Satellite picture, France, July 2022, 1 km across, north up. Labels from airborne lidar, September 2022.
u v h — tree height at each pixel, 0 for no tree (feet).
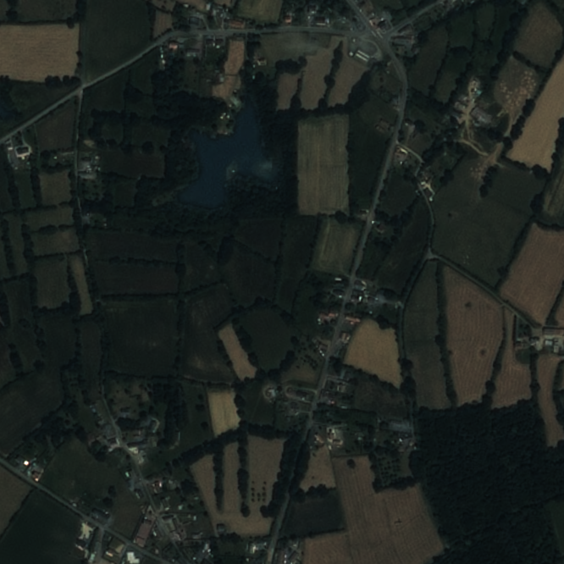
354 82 0
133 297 23
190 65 0
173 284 0
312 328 0
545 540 38
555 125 0
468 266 0
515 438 45
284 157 35
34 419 0
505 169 0
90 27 0
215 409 0
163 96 56
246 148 0
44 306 0
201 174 0
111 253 0
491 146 0
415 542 0
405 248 0
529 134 0
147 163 0
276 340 0
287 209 51
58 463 0
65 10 0
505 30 0
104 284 0
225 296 0
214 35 0
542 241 0
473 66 38
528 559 36
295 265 0
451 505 31
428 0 31
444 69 22
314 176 0
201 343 0
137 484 0
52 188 0
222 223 22
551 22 0
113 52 0
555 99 0
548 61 0
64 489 0
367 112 0
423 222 0
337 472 0
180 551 22
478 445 48
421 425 23
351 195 30
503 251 0
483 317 0
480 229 0
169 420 67
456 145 50
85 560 20
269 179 0
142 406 28
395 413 0
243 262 0
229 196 43
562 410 41
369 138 0
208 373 0
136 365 0
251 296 0
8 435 0
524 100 0
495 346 0
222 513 0
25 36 0
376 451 28
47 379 0
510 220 0
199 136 0
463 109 0
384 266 0
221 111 42
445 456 44
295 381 0
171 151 49
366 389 0
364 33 0
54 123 0
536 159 0
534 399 29
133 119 66
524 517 31
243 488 45
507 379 0
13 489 0
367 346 0
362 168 0
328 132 0
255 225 0
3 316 61
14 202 36
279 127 55
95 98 0
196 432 0
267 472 0
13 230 0
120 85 0
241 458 29
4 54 0
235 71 0
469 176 0
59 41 0
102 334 22
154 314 0
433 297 0
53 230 30
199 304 0
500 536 37
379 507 0
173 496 0
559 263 0
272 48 0
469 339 0
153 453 0
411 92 22
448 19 32
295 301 27
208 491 0
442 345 22
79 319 51
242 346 41
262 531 0
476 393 0
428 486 25
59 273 0
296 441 55
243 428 44
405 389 53
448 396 33
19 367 63
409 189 0
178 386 66
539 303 0
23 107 0
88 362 0
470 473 46
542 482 40
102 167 0
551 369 0
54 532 0
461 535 28
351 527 0
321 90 0
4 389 18
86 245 25
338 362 48
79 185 23
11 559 0
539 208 59
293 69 69
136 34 0
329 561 0
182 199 0
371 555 0
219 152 0
